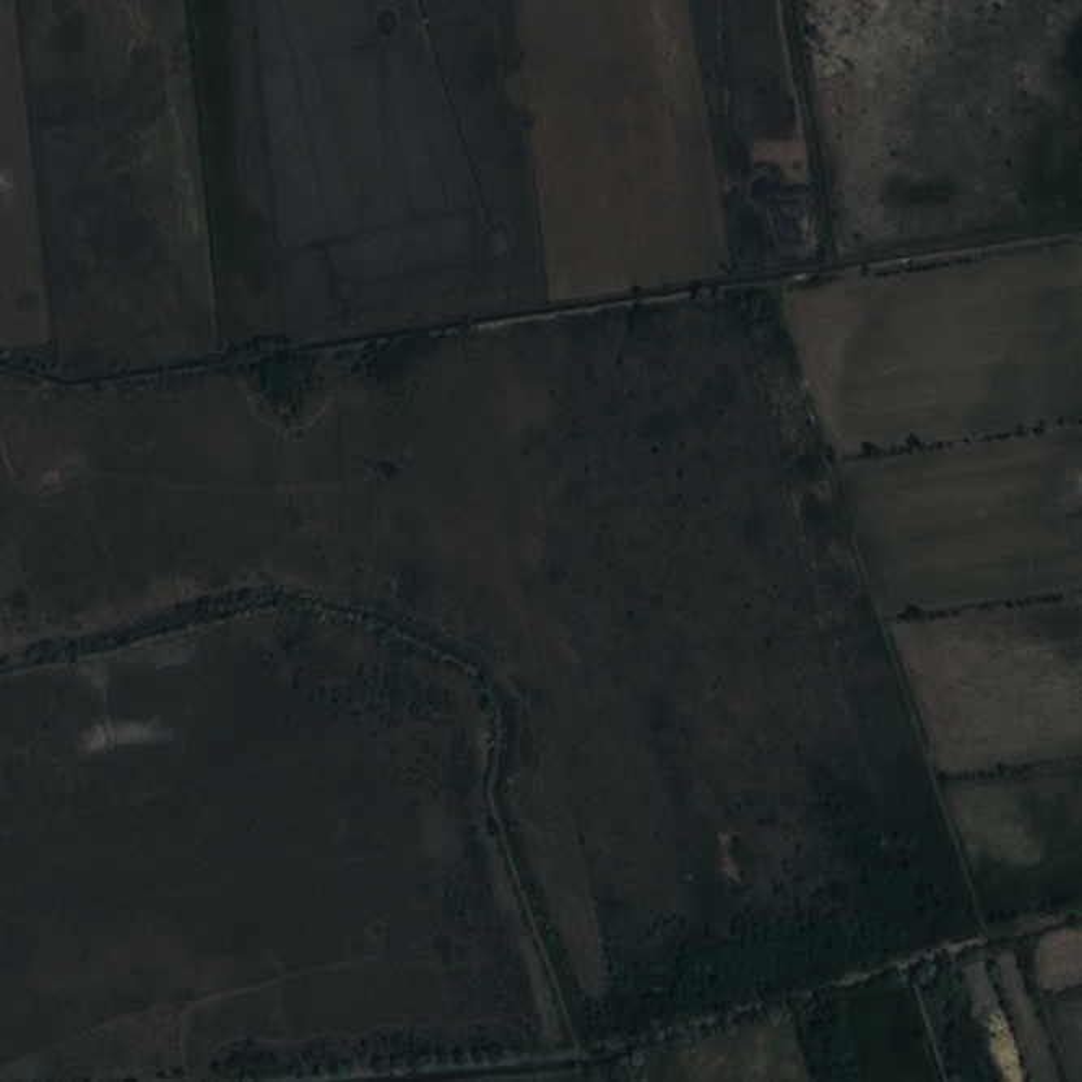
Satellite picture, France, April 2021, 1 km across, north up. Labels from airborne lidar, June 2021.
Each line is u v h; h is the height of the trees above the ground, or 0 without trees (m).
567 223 0
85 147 0
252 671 0
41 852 0
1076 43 0
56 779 0
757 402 0
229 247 0
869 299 0
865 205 0
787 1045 0
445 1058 15
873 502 0
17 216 0
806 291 0
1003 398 0
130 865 0
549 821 0
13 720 0
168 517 0
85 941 0
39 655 9
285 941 0
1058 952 0
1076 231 0
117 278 0
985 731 0
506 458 0
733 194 0
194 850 0
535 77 0
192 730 0
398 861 0
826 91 0
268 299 0
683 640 0
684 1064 0
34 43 0
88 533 0
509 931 0
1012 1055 0
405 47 0
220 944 0
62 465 0
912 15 0
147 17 0
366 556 0
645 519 0
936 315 0
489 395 0
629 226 0
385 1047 9
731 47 0
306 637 10
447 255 0
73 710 0
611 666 0
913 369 0
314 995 0
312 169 0
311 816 0
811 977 12
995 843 0
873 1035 0
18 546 0
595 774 0
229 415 0
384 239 0
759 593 0
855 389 0
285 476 0
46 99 0
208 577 0
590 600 0
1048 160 0
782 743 0
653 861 0
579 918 0
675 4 0
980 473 0
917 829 0
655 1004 13
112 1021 0
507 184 0
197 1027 0
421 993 0
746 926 10
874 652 0
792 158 0
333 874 0
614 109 0
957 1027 15
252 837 0
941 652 0
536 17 0
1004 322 0
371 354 9
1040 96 0
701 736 0
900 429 0
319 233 0
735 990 15
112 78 0
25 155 0
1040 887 0
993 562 0
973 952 10
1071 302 0
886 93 0
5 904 0
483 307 0
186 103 0
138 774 0
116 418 0
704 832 0
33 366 9
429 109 0
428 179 0
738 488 0
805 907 9
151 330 0
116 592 0
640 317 9
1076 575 0
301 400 9
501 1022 0
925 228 0
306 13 0
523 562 0
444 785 0
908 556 0
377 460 0
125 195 0
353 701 9
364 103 0
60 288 0
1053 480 0
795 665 0
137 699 0
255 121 0
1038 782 0
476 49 0
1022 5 0
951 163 0
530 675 0
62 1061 0
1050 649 0
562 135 0
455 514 0
